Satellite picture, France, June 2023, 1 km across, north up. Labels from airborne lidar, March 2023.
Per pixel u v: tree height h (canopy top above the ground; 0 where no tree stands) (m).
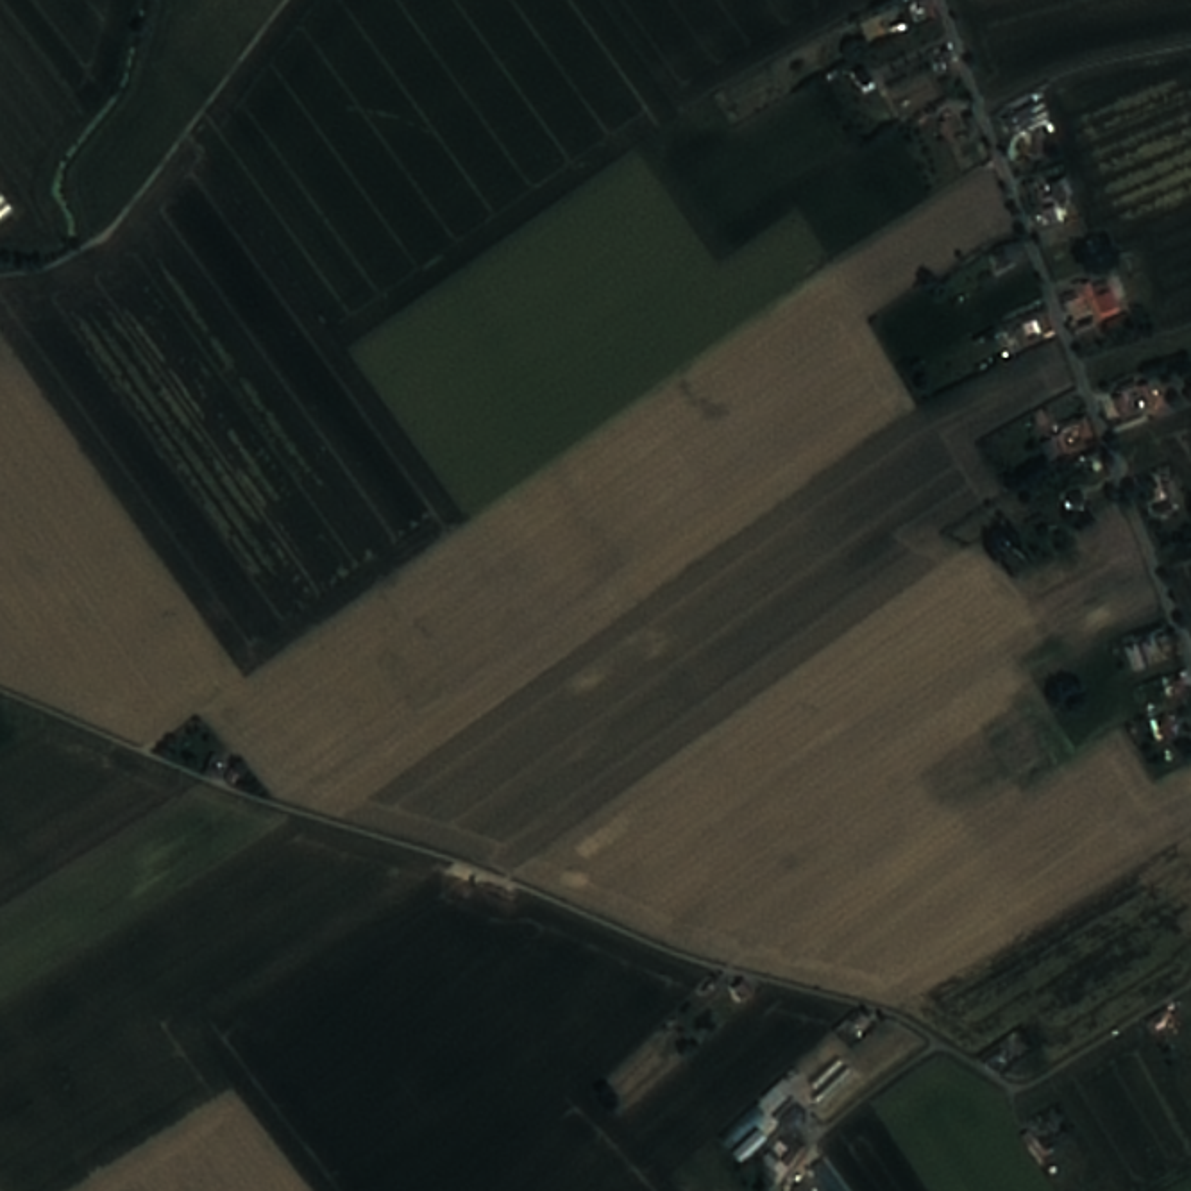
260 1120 0
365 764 0
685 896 0
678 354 0
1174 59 0
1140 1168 0
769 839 0
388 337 0
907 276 0
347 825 0
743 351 0
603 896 0
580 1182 0
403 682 0
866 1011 9
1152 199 0
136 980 0
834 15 0
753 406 0
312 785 0
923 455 0
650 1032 0
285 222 0
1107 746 0
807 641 0
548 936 0
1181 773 0
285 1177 0
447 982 0
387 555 0
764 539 0
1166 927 0
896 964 0
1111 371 0
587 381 0
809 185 0
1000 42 0
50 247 0
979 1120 0
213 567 0
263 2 0
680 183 0
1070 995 0
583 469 0
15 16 0
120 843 0
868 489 0
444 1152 0
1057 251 0
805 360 0
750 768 0
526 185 0
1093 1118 0
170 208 0
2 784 0
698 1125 0
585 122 0
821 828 0
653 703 0
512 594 0
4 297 0
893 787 0
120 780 0
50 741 0
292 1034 0
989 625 0
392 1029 0
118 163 0
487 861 0
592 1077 0
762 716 0
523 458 0
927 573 0
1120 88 0
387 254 0
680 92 0
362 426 0
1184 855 0
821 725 0
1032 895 0
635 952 0
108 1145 0
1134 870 0
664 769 0
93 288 0
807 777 0
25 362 0
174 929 0
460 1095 0
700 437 0
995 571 0
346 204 0
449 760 0
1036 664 0
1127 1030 0
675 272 0
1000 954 0
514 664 0
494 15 0
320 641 0
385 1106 0
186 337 0
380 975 0
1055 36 0
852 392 0
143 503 0
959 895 0
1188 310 0
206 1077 0
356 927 0
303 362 0
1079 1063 0
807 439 0
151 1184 0
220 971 0
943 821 0
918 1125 0
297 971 0
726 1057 0
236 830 0
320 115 0
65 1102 0
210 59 0
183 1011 0
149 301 0
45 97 0
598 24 0
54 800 0
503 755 0
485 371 0
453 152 0
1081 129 0
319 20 0
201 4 0
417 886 0
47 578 0
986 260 0
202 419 0
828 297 0
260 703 0
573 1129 0
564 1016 0
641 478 0
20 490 0
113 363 0
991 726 0
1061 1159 0
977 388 0
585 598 0
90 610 0
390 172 0
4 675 0
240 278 0
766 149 0
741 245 0
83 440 0
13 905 0
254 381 0
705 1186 0
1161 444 0
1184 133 0
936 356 0
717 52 0
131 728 0
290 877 0
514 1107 0
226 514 0
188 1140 0
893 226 0
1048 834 0
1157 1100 0
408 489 0
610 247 0
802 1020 0
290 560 0
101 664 0
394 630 0
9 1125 0
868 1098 0
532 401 0
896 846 0
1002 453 0
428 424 0
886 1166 0
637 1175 0
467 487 0
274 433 0
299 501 0
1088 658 0
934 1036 0
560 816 0
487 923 0
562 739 0
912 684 0
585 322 0
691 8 0
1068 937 0
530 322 0
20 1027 0
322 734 0
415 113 0
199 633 0
